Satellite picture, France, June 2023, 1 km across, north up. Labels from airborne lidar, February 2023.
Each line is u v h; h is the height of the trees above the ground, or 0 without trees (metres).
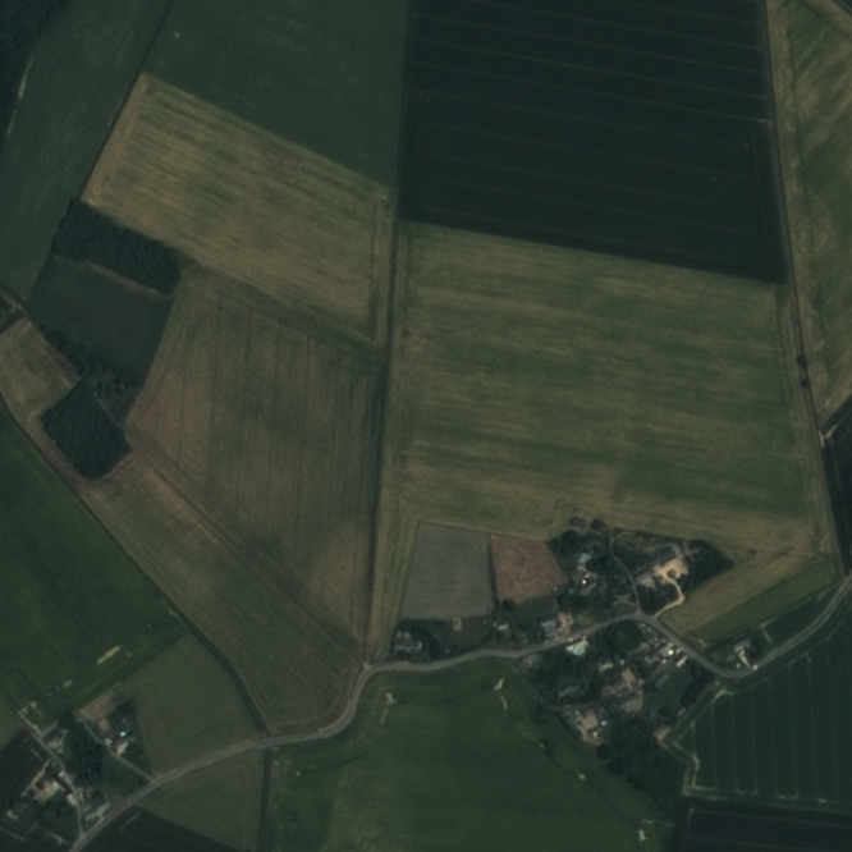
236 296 0
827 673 0
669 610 0
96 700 0
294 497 0
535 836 0
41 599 0
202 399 0
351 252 0
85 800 0
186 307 0
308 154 0
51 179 0
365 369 0
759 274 0
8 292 0
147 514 0
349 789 0
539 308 0
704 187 0
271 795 0
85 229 14
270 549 0
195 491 0
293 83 0
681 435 0
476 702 0
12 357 0
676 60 0
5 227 0
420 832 0
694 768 0
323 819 0
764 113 0
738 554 0
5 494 0
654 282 0
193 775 0
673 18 0
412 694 0
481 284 0
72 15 0
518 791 0
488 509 0
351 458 0
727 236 0
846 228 0
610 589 8
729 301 0
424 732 0
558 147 0
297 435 0
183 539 0
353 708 0
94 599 0
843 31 0
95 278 0
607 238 0
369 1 0
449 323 0
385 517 0
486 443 0
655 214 0
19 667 0
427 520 0
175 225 0
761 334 0
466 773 0
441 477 0
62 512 0
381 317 0
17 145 0
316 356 0
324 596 0
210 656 0
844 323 0
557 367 0
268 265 0
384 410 0
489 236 0
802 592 0
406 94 0
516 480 0
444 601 0
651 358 0
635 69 0
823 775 0
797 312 0
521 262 0
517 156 0
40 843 0
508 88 0
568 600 13
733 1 0
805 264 0
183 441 0
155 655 0
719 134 0
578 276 0
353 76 0
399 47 0
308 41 0
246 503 0
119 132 0
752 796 0
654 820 0
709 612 0
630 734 0
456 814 0
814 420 0
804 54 0
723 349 0
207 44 0
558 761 0
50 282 0
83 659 0
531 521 0
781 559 0
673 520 0
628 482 0
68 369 0
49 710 0
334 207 0
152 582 0
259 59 0
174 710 0
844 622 0
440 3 0
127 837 0
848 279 0
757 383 0
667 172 0
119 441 17
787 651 0
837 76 0
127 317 0
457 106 0
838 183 0
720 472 0
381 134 0
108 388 13
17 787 0
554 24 0
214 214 0
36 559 0
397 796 0
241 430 0
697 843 0
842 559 0
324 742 0
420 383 0
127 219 0
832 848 0
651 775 0
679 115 0
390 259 0
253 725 0
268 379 0
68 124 0
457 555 0
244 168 0
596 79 0
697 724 0
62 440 14
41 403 0
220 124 0
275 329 0
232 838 0
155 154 0
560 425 0
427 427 0
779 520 0
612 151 0
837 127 0
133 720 0
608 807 0
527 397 0
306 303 0
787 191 0
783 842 0
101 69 0
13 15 23
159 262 13
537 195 0
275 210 0
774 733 0
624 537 0
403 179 0
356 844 0
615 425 0
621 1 0
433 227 0
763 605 0
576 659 11
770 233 0
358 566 0
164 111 0
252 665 0
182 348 0
